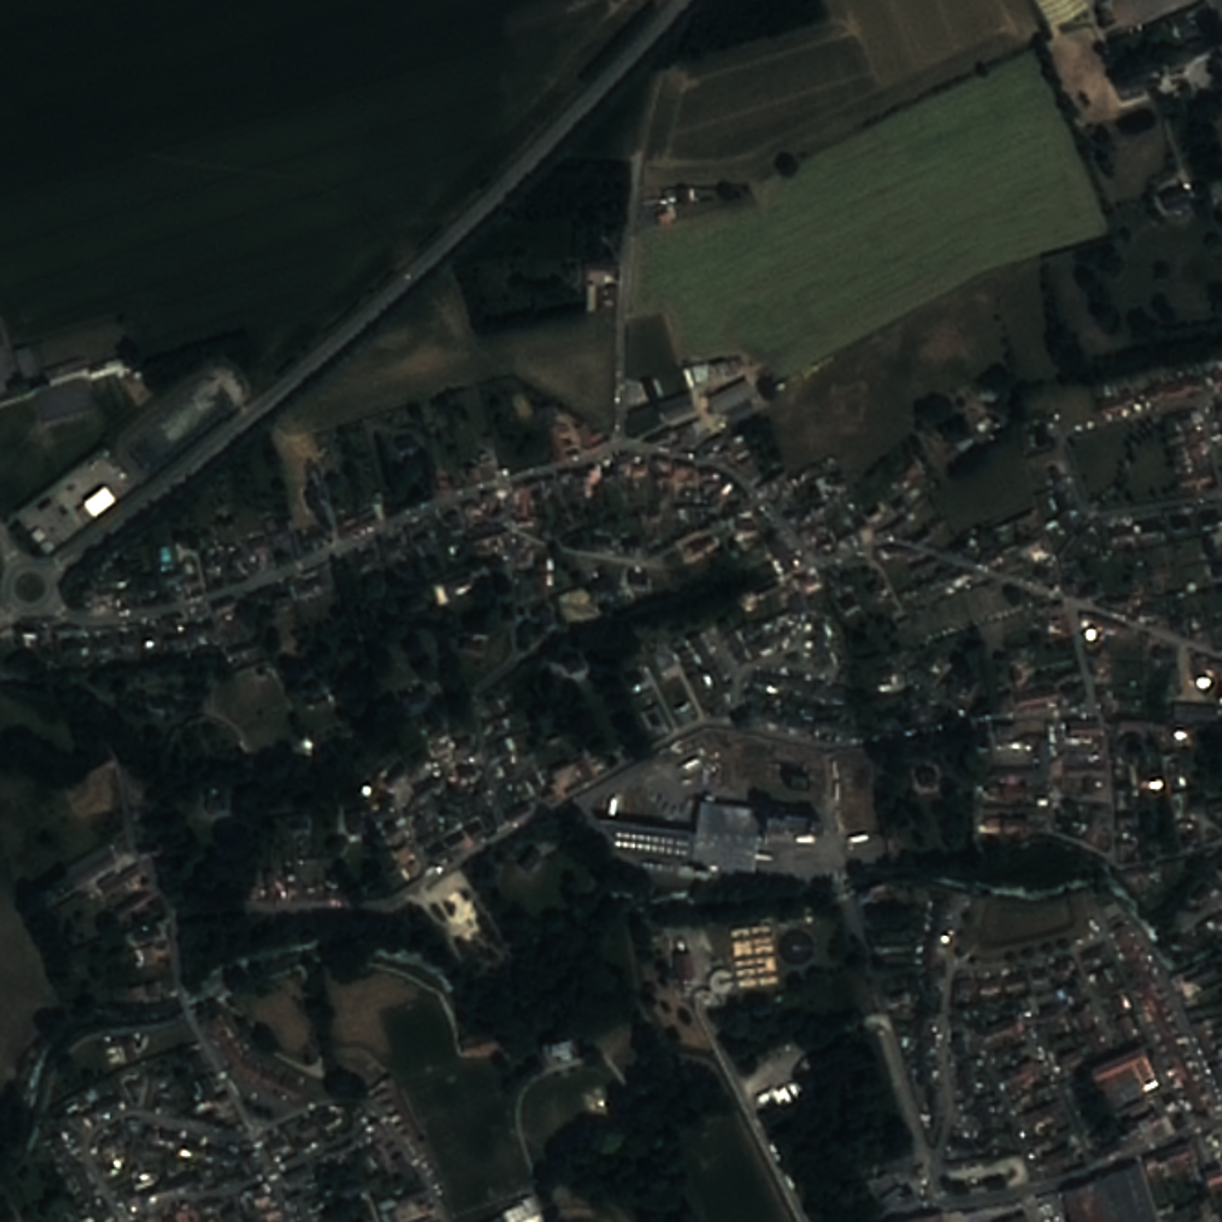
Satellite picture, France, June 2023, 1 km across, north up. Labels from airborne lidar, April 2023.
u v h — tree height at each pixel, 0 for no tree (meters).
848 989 0
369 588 13
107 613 0
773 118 0
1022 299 0
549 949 22
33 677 11
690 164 0
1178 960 8
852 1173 21
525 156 0
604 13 0
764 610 0
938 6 0
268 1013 0
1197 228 0
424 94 0
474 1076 0
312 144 0
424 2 0
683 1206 24
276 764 19
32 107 0
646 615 20
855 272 0
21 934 0
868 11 0
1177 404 0
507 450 0
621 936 0
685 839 0
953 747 10
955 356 0
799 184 0
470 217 0
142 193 0
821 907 16
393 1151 0
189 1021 0
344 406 0
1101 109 0
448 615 10
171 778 11
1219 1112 0
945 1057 0
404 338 0
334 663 16
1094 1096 19
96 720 18
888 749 19
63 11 0
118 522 0
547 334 0
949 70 0
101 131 0
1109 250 17
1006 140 0
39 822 0
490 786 0
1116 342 0
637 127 0
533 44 0
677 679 0
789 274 0
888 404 0
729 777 0
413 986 0
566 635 7
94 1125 0
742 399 0
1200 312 0
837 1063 23
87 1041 0
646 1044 28
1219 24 23
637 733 25
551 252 0
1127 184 0
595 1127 22
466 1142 0
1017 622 0
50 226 0
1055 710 0
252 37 0
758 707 0
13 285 0
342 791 26
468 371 0
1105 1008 0
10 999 0
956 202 0
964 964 0
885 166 0
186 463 0
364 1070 0
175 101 0
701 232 0
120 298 0
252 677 0
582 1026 25
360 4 0
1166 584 0
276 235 0
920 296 0
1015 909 0
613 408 0
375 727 30
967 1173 0
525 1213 0
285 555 9
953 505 0
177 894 17
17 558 0
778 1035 16
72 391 0
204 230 0
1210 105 16
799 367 0
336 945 27
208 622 9
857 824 0
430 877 0
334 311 0
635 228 0
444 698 13
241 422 0
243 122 0
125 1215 0
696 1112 24
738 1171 0
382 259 0
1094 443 0
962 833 6
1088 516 0
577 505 6
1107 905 0
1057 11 0
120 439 0
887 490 0
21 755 18
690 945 0
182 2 0
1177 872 0
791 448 0
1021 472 0
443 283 0
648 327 0
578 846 16
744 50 0
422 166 0
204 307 0
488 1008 19
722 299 0
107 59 0
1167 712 0
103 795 0
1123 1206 0
